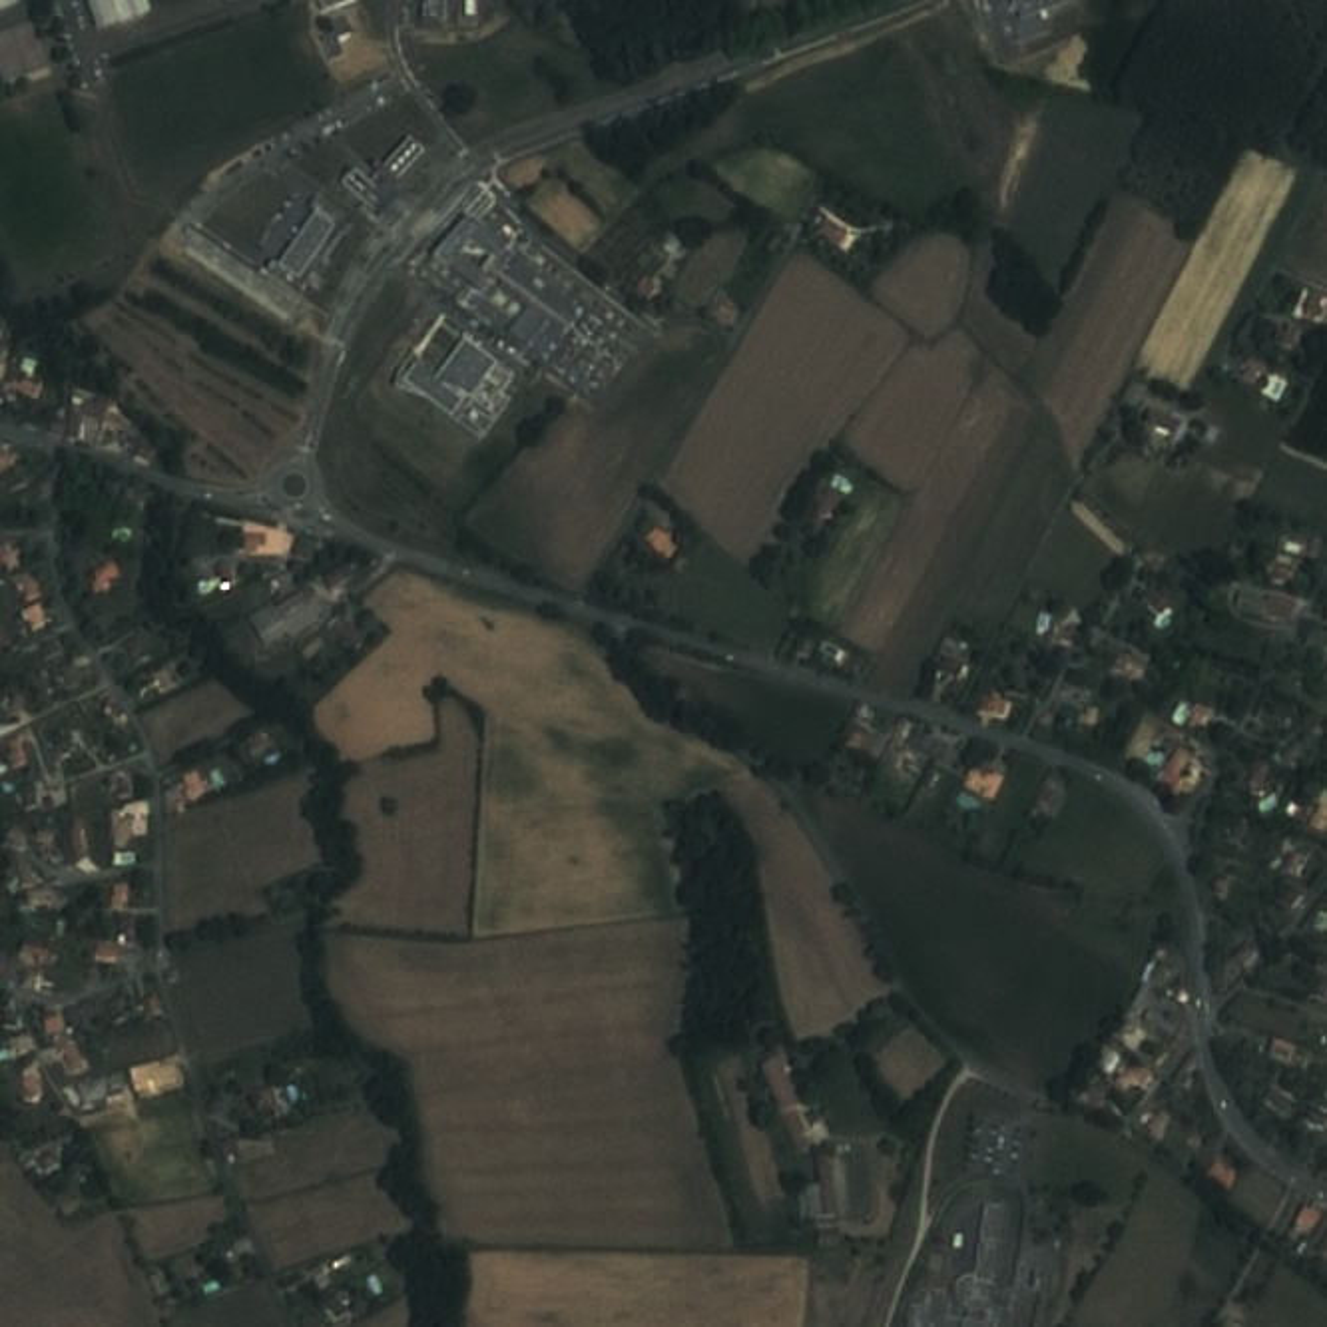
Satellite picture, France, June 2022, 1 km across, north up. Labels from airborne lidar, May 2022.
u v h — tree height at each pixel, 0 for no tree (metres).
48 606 7
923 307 0
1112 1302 0
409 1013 0
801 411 0
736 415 0
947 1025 0
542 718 0
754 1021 21
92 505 19
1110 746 8
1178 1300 0
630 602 8
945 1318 0
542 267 0
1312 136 12
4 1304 0
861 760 11
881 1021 6
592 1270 0
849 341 0
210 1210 0
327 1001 11
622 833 0
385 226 0
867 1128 0
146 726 0
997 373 0
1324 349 20
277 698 16
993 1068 0
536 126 0
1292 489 0
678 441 0
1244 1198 0
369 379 0
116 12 0
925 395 0
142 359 0
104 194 0
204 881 0
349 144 0
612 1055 0
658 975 0
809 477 14
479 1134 0
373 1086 15
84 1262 0
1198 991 0
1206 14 19
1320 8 19
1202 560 23
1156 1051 9
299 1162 0
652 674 16
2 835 20
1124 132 0
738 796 0
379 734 0
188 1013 0
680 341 0
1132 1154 0
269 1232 0
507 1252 0
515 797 0
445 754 0
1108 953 0
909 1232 0
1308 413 7
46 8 22
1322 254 0
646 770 0
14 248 0
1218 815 15
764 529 0
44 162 0
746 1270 0
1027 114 0
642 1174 0
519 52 0
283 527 0
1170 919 10
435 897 0
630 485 0
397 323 0
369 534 0
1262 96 21
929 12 0
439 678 10
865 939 15
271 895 6
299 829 0
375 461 0
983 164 0
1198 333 0
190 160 0
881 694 0
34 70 0
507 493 0
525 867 0
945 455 0
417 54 0
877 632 0
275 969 0
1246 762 8
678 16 19
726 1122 0
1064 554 0
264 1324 0
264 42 0
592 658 0
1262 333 8
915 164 0
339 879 18
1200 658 7
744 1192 0
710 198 0
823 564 0
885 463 0
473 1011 0
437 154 0
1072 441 0
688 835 17
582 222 0
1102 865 0
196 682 5
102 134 0
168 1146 0
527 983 0
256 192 0
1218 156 21
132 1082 0
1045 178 0
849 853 0
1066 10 0
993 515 0
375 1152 0
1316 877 8
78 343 15
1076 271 11
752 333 0
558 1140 0
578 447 0
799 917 0
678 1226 0
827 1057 12
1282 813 7
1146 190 11
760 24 24
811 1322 0
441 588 0
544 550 0
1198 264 0
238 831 0
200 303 0
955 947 0
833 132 0
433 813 0
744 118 0
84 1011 0
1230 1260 0
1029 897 0
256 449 0
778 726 0
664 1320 0
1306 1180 0
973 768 12
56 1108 10
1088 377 0
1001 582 0
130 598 0
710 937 16
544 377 0
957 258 0
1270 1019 0
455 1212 0
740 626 0
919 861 0
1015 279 20
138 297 8
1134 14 0
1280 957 15
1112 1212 0
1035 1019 0
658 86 0
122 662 12
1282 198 0
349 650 6
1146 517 0
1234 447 0
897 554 0
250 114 0
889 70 0
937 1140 0
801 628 12
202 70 0
